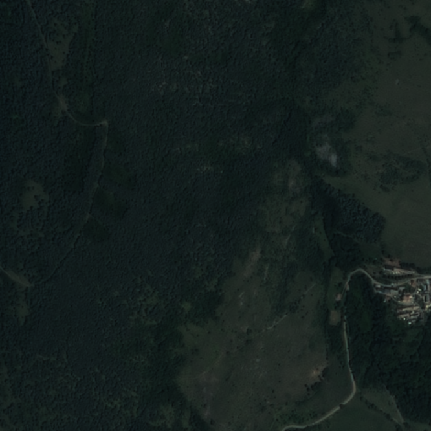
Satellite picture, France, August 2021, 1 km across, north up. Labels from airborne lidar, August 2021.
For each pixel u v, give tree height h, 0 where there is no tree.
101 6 13
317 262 7
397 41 12
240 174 13
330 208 26
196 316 8
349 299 16
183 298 9
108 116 14
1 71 15
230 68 18
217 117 15
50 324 13
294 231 6
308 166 22
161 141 15
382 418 0
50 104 12
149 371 10
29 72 12
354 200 13
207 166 7
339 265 20
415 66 0
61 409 14
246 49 11
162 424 7
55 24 11
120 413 11
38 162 15
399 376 27
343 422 0
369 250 0
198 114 14
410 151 0
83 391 11
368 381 13
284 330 0
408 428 9
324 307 8
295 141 25
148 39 9
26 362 11
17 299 9
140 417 12
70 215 10
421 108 0
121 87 14
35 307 8
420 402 19
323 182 17
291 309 8
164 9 10
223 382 0
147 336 9
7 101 17
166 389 17
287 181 6
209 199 13
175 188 13
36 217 9
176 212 13
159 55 13
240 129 10
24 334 13
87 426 13
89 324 16
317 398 0
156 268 14
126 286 11
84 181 16
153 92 12
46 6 15
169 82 13
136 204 12
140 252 13
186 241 15
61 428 12
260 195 14
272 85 9
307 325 0
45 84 15
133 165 16
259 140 11
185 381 0
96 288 12
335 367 0
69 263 11
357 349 15
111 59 9
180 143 13
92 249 9
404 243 0
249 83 15
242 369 0
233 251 13
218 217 14
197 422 13
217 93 15
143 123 12
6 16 12
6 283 7
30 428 9
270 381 0
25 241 13
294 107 17
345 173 15
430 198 0
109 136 7
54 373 7
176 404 18
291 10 14
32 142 14
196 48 12
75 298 13
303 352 0
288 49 12
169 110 15
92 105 14
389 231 0
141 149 14
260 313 0
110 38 15
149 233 15
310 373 0
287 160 8
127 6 15
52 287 14
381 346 29
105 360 12
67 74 7
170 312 12
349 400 0
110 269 14
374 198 0
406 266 16
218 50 16
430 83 0
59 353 13
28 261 8
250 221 10
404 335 7
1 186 16
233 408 0
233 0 10
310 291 0
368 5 0
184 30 15
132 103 10
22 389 12
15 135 15
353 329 17
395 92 0
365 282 25
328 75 10
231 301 0
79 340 15
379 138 0
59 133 11
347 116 13
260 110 12
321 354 0
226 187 13
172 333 11
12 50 19
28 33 16
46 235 10
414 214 0
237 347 6
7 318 8
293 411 7
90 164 14
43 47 12
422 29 6
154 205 15
